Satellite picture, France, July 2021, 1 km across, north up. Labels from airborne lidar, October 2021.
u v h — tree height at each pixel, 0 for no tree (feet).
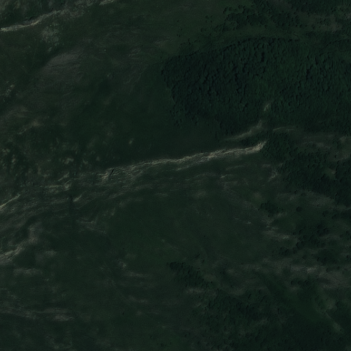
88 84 0
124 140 0
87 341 0
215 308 59
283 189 0
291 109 69
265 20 69
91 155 0
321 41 35
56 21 0
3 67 0
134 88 0
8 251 0
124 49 0
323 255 35
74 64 0
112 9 0
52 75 0
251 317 50
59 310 0
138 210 0
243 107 67
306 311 0
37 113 0
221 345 33
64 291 0
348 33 72
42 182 0
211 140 0
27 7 0
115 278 0
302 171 48
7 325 0
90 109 0
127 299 0
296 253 44
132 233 0
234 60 81
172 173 0
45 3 0
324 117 29
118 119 0
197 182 0
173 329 0
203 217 0
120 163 0
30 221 0
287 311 36
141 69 0
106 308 0
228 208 0
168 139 0
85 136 0
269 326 28
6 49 0
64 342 0
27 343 0
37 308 0
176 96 63
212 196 0
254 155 0
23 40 0
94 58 0
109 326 0
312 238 51
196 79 62
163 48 0
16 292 0
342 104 59
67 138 0
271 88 75
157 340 0
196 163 0
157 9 0
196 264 0
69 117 0
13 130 0
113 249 0
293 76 67
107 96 0
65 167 0
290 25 69
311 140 0
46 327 0
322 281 0
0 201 0
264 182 0
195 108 57
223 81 78
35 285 0
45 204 0
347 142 0
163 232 0
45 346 0
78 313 0
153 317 0
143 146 0
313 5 69
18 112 0
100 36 0
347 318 19
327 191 59
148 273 0
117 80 0
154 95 0
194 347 0
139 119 0
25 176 0
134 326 0
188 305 0
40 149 0
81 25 0
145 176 0
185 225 0
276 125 43
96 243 0
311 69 86
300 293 23
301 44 91
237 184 0
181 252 0
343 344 26
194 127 0
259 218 0
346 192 95
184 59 56
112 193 0
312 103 72
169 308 0
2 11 0
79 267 0
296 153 57
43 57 0
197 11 0
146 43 0
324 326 27
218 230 0
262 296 25
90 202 0
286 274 22
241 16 73
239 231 0
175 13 0
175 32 0
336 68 85
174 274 0
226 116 58
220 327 25
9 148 0
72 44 0
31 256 0
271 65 85
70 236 0
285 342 54
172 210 0
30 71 0
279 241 0
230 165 0
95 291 0
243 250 0
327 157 50
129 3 0
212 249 0
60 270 0
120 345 0
